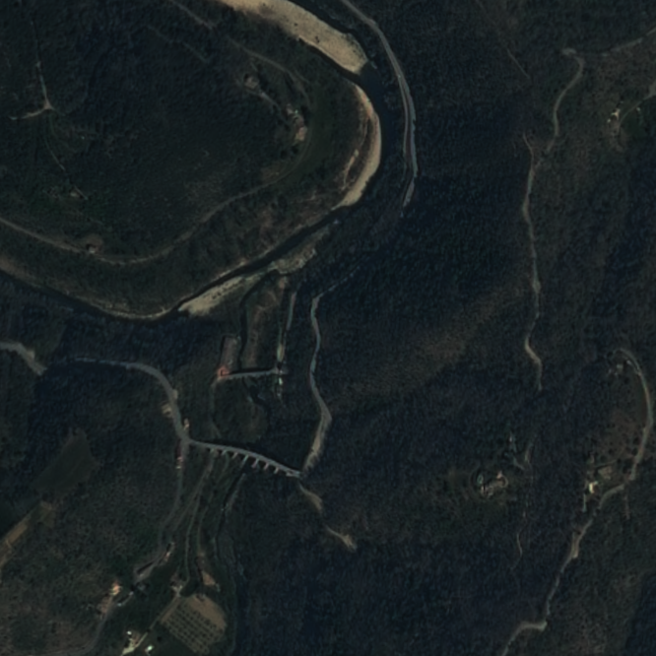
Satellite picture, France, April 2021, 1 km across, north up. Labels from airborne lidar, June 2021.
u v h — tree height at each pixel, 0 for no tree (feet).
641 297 25
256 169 22
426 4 18
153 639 0
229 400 54
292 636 51
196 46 38
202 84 27
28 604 44
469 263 31
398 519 42
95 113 25
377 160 0
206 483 42
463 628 20
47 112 34
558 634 34
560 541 40
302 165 0
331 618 37
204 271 29
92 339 43
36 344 28
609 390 23
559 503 21
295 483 32
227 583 0
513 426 40
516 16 63
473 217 21
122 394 26
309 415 49
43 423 37
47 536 22
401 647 50
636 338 27
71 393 45
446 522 58
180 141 19
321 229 0
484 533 43
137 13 24
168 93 29
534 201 37
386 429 52
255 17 0
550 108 33
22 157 34
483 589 33
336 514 44
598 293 43
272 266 0
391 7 20
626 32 32
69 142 20
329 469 56
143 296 57
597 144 30
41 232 25
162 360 42
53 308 57
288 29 0
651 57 38
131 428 31
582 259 22
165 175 21
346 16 20
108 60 35
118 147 20
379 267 37
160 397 25
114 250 24
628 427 27
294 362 38
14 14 36
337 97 58
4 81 21
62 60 28
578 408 55
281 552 43
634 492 34
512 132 28
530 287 32
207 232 23
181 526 26
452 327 21
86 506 30
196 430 57
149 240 28
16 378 23
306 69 34
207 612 0
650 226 45
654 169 54
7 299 53
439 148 26
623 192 75
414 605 34
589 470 38
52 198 53
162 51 21
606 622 21
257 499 94
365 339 24
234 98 43
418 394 69
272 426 45
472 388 56
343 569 35
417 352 24
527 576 42
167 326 28
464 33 31
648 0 48
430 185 25
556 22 50
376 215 63
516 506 31
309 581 22
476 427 44
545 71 33
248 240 40
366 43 32
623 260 39
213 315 53
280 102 31
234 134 22
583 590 41
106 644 37
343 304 26
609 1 65
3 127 44
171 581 17
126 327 50
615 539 42
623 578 25
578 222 77
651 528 35
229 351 0
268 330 32
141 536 20
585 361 43
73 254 31
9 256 19
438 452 40
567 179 37
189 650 19
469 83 25
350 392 18
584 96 31
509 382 44
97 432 19
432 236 24
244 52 50
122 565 41
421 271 25
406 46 30
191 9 44
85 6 41
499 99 20
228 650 54
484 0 46
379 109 0
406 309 34
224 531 0
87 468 0
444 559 71
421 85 46
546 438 50
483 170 19
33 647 25
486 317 19
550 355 22
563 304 31
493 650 24
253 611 74
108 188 29
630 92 27
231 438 48
